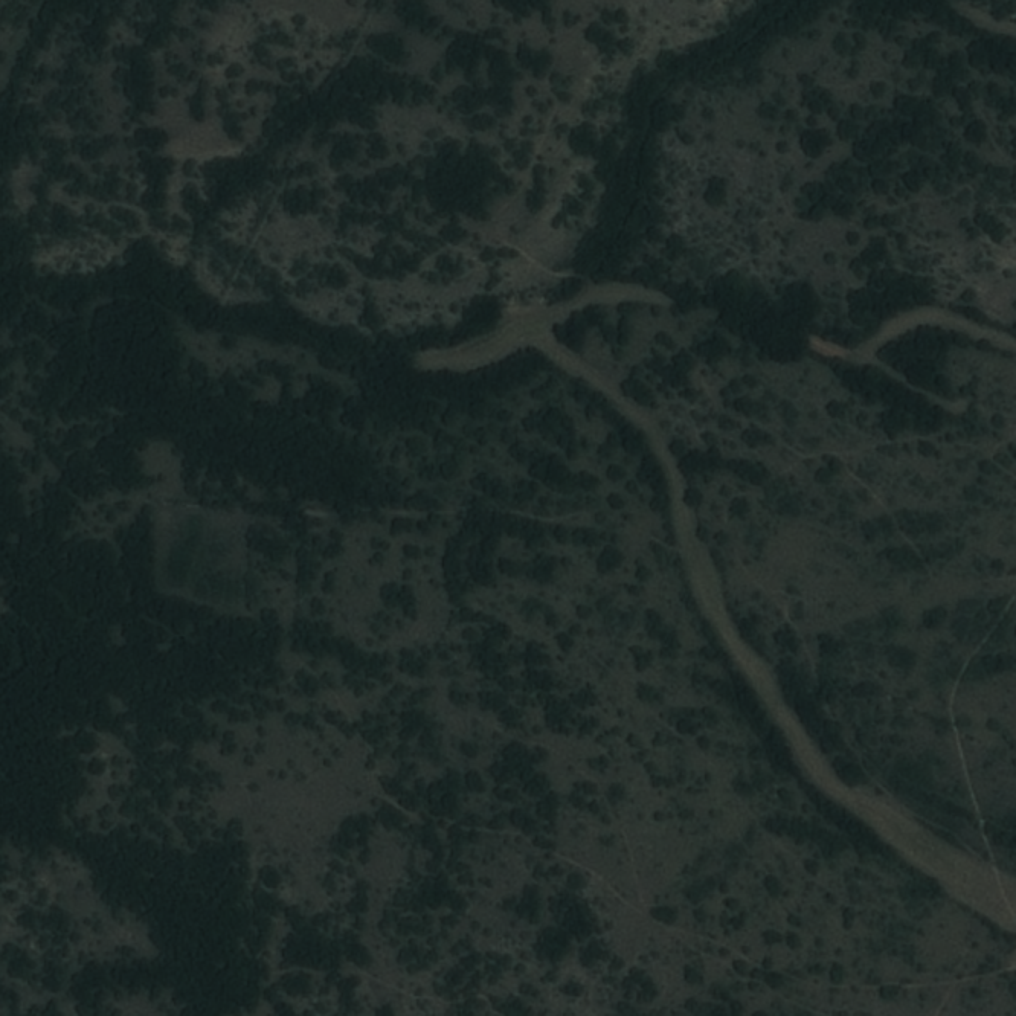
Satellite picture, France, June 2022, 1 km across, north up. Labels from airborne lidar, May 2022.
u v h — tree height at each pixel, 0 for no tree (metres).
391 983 0
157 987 7
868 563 0
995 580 0
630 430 14
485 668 9
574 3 0
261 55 5
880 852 8
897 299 12
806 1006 0
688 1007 6
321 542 11
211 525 0
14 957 6
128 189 6
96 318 9
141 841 8
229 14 0
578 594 0
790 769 8
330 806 0
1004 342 0
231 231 5
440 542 0
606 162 8
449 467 10
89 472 8
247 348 0
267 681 6
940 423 7
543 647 6
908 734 0
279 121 6
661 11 0
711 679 7
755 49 10
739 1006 6
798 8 11
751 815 0
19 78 7
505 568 10
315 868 0
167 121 0
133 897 11
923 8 12
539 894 6
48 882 0
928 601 0
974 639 0
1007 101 8
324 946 10
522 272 0
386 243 7
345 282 7
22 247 9
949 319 0
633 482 7
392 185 9
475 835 8
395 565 0
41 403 7
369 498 10
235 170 9
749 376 7
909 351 6
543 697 6
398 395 7
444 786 9
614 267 12
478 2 0
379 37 8
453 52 8
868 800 0
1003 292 0
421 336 9
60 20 6
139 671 11
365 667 6
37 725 14
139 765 6
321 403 9
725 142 0
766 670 0
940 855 0
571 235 0
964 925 0
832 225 0
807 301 15
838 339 6
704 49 12
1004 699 0
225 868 12
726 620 0
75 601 11
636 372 8
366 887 8
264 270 6
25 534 10
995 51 8
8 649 16
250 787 7
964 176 8
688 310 10
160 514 0
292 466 12
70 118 6
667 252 9
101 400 9
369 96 5
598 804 6
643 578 7
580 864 0
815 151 12
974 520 0
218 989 10
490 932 6
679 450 11
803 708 11
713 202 9
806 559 0
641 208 6
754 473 9
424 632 0
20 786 14
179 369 8
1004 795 0
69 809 6
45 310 8
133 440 13
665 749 0
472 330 14
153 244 9
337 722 8
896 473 0
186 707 7
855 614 0
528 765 8
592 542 8
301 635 7
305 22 6
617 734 7
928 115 12
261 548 11
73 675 13
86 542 7
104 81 0
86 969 7
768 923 0
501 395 7
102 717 10
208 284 0
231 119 8
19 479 10
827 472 9
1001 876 0
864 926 0
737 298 10
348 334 9
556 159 0
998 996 0
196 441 9
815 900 0
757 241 8
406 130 0
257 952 9
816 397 0
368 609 0
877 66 0
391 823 8
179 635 9
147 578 11
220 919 13
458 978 8
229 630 8
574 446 10
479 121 6
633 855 0
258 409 13
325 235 0
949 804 6
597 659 0
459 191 10
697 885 0
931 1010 0
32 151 8
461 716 0
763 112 6
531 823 9
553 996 0
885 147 7
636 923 0
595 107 7
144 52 10
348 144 8
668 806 0
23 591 12
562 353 0
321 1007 6
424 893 10
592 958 6
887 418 11
